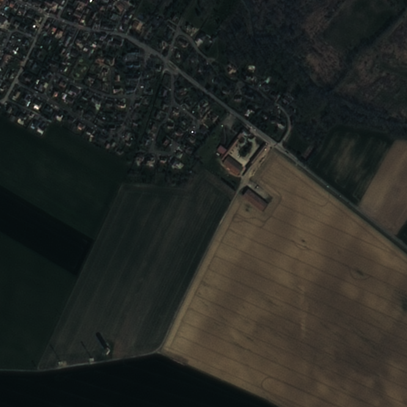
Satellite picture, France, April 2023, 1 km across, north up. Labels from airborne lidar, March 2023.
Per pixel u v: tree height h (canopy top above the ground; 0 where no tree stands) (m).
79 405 0
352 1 0
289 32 27
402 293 0
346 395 0
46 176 0
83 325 0
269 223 0
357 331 0
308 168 0
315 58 0
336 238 0
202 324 0
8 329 0
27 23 7
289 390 0
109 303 0
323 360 0
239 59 20
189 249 0
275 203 0
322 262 0
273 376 0
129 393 0
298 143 0
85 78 7
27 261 0
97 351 0
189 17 0
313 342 0
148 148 7
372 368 0
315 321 0
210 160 0
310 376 0
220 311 0
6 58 0
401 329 0
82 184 0
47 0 0
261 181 0
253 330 0
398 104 0
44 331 0
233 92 18
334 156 0
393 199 0
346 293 0
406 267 0
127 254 0
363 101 0
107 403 0
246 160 0
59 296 0
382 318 0
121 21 0
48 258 0
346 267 0
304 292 0
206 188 0
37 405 0
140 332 0
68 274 0
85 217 0
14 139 0
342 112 21
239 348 0
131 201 0
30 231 0
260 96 19
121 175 0
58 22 0
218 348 0
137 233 0
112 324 0
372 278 0
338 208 0
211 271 0
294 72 25
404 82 0
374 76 0
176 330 0
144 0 0
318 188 0
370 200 0
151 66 8
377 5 0
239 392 0
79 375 0
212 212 0
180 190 0
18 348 0
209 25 0
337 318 0
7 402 0
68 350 0
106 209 0
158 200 0
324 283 0
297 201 0
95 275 0
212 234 0
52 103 0
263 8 14
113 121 6
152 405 0
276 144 0
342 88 0
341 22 0
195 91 7
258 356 0
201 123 0
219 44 0
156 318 0
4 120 0
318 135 16
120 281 0
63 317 0
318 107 25
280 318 0
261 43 25
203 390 0
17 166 0
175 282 0
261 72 25
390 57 0
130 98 0
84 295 0
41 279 0
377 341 0
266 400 0
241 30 31
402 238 0
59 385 0
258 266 0
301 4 21
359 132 0
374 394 0
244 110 9
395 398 0
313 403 0
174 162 0
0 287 0
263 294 0
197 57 18
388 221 0
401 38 0
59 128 0
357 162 0
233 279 0
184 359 0
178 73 0
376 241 0
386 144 0
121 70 12
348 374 0
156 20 0
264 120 11
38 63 11
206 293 0
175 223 0
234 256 0
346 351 0
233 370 0
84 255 0
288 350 0
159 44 0
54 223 0
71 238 0
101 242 0
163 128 8
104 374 0
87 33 0
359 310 0
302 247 0
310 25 0
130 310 0
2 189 0
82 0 0
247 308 0
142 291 0
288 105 17
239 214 0
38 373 0
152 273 0
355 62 27
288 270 0
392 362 0
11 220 0
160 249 0
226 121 0
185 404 0
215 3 28
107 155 0
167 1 18
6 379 0
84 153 0
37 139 0
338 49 0
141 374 0
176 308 0
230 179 0
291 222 0
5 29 0
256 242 0
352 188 0
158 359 0
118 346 0
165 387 0
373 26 0
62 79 6
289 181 0
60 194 0
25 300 0
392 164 0
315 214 0
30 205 0
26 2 0
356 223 0
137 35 16
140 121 6
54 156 0
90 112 0
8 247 0
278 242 0
